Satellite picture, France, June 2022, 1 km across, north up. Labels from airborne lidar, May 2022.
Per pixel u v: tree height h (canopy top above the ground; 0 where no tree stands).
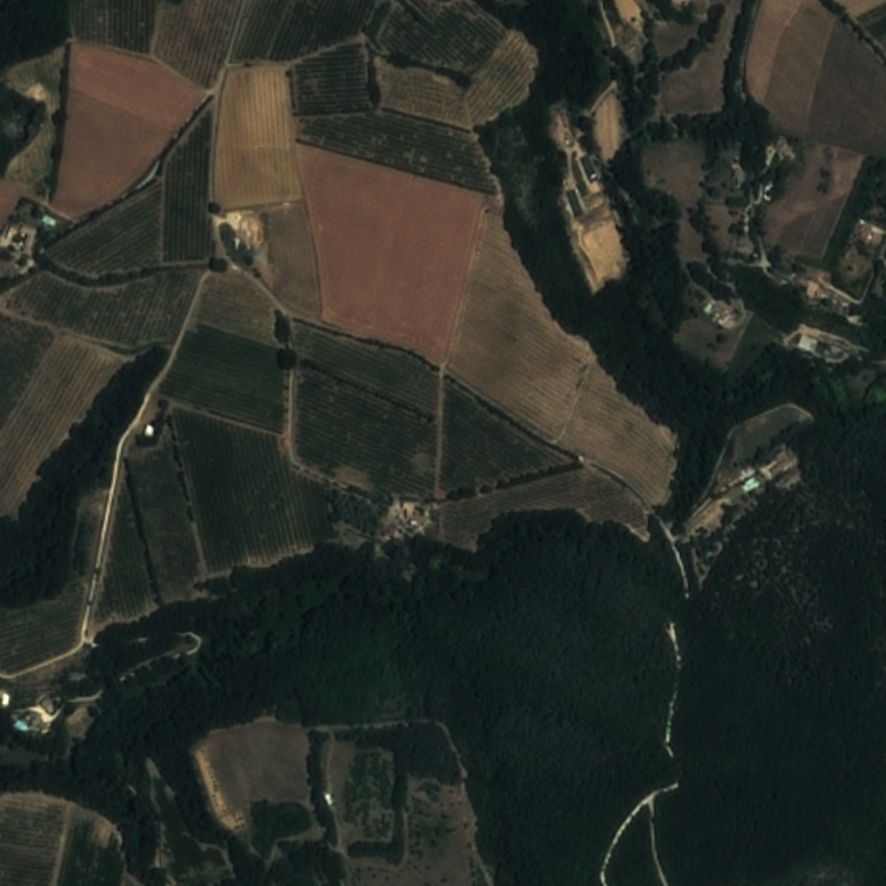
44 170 0
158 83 0
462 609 15
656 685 7
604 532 16
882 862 6
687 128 16
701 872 6
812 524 6
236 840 14
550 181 11
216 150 0
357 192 0
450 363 0
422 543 16
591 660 9
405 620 21
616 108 0
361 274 0
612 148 0
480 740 16
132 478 12
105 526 0
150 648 17
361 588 10
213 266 15
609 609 8
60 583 14
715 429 20
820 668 6
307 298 0
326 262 0
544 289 12
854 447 10
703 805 6
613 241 0
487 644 10
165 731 25
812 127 0
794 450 11
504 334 0
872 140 0
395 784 8
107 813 15
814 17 0
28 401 0
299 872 11
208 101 7
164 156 8
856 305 6
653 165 0
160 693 15
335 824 7
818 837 7
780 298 8
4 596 17
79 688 11
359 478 0
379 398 9
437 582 19
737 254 10
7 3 18
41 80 0
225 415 7
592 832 7
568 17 17
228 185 0
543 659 9
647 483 0
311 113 7
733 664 6
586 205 0
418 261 0
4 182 0
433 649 21
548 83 20
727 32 0
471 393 8
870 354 10
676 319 12
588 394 0
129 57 0
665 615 6
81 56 0
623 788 9
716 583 10
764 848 5
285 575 17
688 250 0
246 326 0
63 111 7
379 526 14
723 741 5
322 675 7
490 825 6
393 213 0
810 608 10
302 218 0
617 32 0
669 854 6
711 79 0
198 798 12
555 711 14
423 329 0
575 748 11
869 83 0
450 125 9
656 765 12
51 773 15
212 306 0
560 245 10
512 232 11
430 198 0
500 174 10
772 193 12
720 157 11
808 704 7
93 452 22
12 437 0
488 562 21
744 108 11
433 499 9
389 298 0
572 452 8
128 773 11
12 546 11
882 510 9
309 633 16
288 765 0
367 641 8
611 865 8
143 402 9
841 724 7
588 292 11
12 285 15
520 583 16
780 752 6
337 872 12
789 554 6
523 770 8
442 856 0
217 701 15
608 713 8
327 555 16
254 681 15
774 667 6
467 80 13
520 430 9
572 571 10
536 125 18
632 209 11
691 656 8
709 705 7
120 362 0
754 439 0
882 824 6
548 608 11
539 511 11
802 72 0
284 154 0
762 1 0
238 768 0
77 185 0
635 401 10
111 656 17
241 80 0
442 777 9
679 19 9
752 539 11
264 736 0
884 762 7
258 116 0
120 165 0
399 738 12
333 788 0
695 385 14
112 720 17
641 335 19
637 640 6
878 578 6
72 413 0
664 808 8
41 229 13
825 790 6
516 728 8
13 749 14
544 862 7
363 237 0
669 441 0
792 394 14
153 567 11
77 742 15
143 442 12
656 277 20
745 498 8
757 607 6
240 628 22
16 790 14
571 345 0
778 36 0
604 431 0
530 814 9
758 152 7
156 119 0
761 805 9
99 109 0
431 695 16
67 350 0
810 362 9
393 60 11
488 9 10
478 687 19
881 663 7
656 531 10
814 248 0
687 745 7
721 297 10
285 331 12
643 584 6
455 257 0
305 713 13
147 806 15
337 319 0
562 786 8
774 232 0
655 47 10
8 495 0
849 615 6
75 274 11
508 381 0
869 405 12
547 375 0
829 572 6
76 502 10
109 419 21
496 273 0
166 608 11
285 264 0
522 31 10
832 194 0
